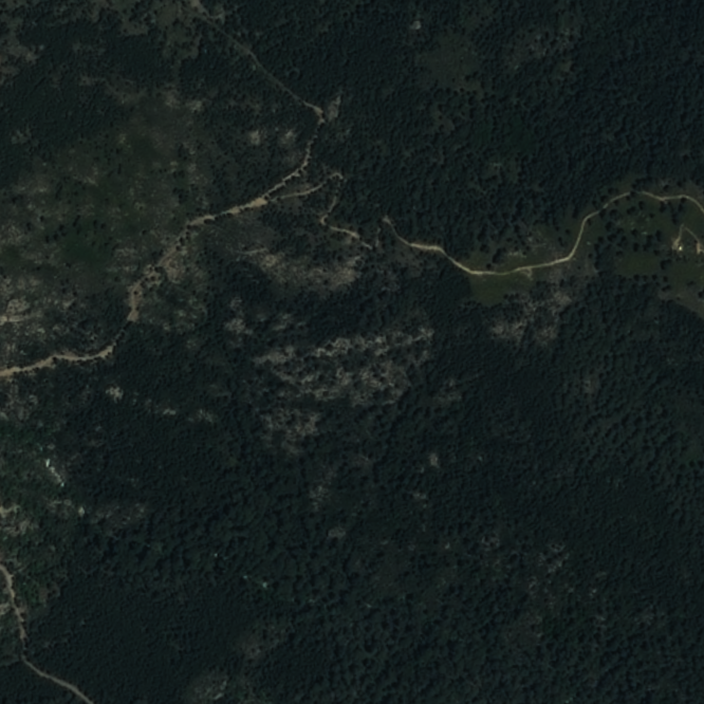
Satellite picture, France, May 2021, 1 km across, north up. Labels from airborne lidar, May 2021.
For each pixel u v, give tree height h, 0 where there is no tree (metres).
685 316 13
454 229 19
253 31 14
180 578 31
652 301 17
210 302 9
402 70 11
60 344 7
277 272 0
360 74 13
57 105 11
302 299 10
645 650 24
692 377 14
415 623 29
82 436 13
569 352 21
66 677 16
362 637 24
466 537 21
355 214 9
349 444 6
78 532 10
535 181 22
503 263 12
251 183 12
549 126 16
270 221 10
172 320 11
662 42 15
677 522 15
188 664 15
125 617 15
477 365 8
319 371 16
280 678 16
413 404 20
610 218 12
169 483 13
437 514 13
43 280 0
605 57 15
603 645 29
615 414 27
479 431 6
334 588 27
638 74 16
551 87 19
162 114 0
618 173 15
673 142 17
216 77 11
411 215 22
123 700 12
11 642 10
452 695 31
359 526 14
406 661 18
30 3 12
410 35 7
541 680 29
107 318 11
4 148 13
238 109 11
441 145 18
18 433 12
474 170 12
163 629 11
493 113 14
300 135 9
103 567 17
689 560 16
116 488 13
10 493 11
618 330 15
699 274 0
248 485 35
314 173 11
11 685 18
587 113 17
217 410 15
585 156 17
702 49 13
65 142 14
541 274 0
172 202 0
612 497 14
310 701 29
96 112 14
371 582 26
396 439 25
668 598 17
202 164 0
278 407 18
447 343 13
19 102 15
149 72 12
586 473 18
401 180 17
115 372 13
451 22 12
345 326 13
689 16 14
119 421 10
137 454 12
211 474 11
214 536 33
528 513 9
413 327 9
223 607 17
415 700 27
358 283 9
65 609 16
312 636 17
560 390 12
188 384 13
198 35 11
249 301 10
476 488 14
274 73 11
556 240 0
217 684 9
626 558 12
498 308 9
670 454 30
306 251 9
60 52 12
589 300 18
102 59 10
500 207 15
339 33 12
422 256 9
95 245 10
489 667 16
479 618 12
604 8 14
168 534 37
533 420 10
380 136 12
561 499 17
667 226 0
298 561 36
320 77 14
